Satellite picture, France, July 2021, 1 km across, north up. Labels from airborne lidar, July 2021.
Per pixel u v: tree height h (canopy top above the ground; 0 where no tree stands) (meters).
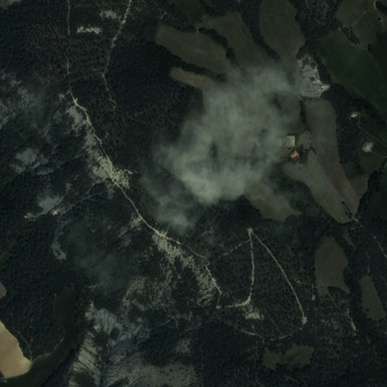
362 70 0
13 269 10
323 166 0
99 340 8
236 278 11
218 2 17
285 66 13
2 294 0
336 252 0
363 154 0
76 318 8
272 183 15
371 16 0
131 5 6
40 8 10
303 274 11
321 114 0
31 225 12
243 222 12
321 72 7
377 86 0
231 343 18
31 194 12
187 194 16
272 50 14
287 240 12
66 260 7
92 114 6
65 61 12
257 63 0
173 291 6
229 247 9
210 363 14
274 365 0
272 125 15
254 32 13
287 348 10
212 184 24
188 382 0
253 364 16
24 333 8
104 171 0
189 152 9
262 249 11
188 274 6
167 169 8
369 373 10
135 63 12
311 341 11
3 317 11
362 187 0
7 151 16
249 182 0
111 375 0
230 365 14
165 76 14
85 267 9
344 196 0
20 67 9
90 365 0
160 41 0
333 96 9
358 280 6
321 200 0
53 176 8
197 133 10
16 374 0
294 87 11
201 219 15
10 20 17
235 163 22
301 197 19
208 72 12
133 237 8
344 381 18
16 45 12
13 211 13
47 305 10
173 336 8
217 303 7
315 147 8
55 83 10
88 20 7
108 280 8
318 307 8
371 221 14
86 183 9
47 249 8
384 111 0
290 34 0
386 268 6
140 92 9
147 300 6
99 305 9
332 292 11
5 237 14
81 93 7
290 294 10
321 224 15
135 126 7
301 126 0
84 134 6
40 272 9
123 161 6
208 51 0
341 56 0
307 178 0
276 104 18
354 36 8
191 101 7
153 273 6
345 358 18
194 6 0
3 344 0
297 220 14
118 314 6
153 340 13
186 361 8
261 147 19
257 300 6
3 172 10
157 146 10
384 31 0
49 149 6
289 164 0
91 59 12
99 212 6
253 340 11
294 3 12
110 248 6
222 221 14
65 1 6
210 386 9
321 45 0
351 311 11
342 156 6
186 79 0
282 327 6
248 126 0
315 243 13
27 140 7
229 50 13
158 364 7
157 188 13
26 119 7
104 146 6
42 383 0
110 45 11
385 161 7
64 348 0
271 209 0
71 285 7
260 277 7
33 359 0
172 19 6
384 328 8
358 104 20
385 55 0
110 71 10
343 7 0
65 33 6
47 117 11
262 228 12
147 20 8
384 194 0
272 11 0
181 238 6
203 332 7
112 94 14
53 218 10
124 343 0
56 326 11
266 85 19
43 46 19
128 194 6
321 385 24
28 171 6
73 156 8
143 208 6
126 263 7
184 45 0
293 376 13
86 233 6
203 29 13
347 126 9
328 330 7
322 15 11
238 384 12
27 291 16
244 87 19
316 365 16
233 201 14
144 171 8
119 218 6
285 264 8
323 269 0
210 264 6
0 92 7
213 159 19
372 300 0
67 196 7
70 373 7
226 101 0
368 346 19
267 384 9
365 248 7
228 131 0
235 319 8
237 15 0
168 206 12
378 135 0
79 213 8
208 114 0
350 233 10
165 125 8
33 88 7
